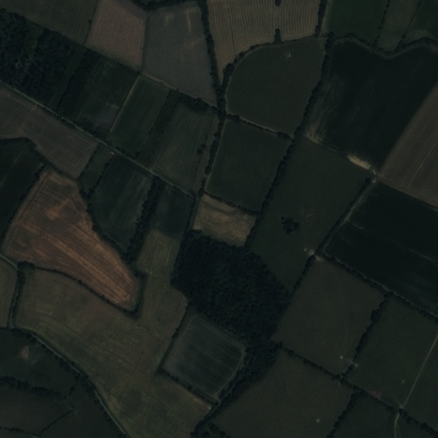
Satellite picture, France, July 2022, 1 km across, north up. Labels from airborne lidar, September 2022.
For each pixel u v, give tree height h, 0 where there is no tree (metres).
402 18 0
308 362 13
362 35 0
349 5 0
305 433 0
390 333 0
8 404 0
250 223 0
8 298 0
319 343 0
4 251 0
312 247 0
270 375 0
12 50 7
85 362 0
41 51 15
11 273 0
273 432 0
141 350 0
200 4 12
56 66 26
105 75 0
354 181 0
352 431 0
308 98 0
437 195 0
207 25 6
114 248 14
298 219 0
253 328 17
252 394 0
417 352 0
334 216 0
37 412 0
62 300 0
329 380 0
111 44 0
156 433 0
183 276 23
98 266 0
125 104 0
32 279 0
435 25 0
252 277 10
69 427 0
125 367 0
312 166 0
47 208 0
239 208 7
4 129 0
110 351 0
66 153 0
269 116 0
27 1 0
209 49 8
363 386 0
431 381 0
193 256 19
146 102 0
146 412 0
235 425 0
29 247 0
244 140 0
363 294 0
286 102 0
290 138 9
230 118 7
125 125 0
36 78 26
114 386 0
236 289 21
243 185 0
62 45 22
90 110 0
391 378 0
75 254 0
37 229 0
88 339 0
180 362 0
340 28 0
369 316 0
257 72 0
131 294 0
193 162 0
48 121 0
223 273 23
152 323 0
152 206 18
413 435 0
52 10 0
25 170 0
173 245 0
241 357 0
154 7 16
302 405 0
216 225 0
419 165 0
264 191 0
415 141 0
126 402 0
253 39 0
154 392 0
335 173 0
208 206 0
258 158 0
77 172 0
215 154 6
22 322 0
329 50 15
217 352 0
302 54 0
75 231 0
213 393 0
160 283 0
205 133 0
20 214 0
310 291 0
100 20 0
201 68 0
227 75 9
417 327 0
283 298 17
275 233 0
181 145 0
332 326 0
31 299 0
